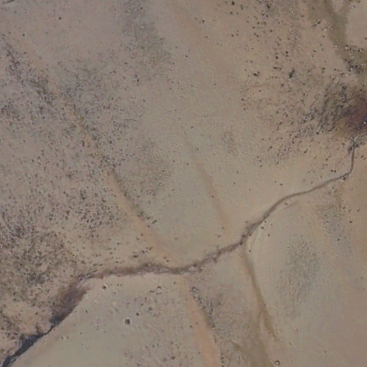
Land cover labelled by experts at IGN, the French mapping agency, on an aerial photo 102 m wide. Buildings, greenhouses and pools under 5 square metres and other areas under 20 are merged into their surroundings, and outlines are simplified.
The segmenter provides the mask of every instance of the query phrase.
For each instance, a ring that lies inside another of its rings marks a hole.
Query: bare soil
[[[0,0],[0,367],[367,367],[367,0]]]

